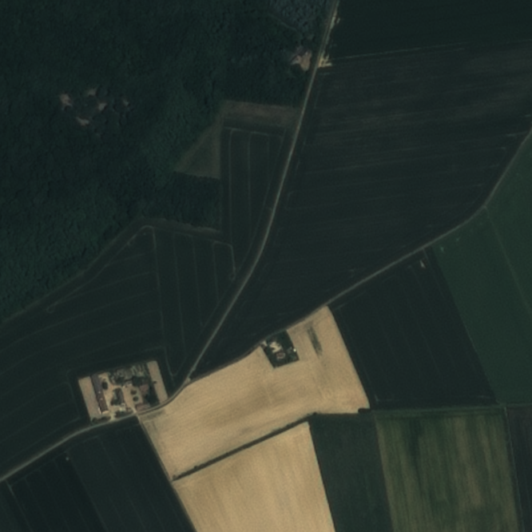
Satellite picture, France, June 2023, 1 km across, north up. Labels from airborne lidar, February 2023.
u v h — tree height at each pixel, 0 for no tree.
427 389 0
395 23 0
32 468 0
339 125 0
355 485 0
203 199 22
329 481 0
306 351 0
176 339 0
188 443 0
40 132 18
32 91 24
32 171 15
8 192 22
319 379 0
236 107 0
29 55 26
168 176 22
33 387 0
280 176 0
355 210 0
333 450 0
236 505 0
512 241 0
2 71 22
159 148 24
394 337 0
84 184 22
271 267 0
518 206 0
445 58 0
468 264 0
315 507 0
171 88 22
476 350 0
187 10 20
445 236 0
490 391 0
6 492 0
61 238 25
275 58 20
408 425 0
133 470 0
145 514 0
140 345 0
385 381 0
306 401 0
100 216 25
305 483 0
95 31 20
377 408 0
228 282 0
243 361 0
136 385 13
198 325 0
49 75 22
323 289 0
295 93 18
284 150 0
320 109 0
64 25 20
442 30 0
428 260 0
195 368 0
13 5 24
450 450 0
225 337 0
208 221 22
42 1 22
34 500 0
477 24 0
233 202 0
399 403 0
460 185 0
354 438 0
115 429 0
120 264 0
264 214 0
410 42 0
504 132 0
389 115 0
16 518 0
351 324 0
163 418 0
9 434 0
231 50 21
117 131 26
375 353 0
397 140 0
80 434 0
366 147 0
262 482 0
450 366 0
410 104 0
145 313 0
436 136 0
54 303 0
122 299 0
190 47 23
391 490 0
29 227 20
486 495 0
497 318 0
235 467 0
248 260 0
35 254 24
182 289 0
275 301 0
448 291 0
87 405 0
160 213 20
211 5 28
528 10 0
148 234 0
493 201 0
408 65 0
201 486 0
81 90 23
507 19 0
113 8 25
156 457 0
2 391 0
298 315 0
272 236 0
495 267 0
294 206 0
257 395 0
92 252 18
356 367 0
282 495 0
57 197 24
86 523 0
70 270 20
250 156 0
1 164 24
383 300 0
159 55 21
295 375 0
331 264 0
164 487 0
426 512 0
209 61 20
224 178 0
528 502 0
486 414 0
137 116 29
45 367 0
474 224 0
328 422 0
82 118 22
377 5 0
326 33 0
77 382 0
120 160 25
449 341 0
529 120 0
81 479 0
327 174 0
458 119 0
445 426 0
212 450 0
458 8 0
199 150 0
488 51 0
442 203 0
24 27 21
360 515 0
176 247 0
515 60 0
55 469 0
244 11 22
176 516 0
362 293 0
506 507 0
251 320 0
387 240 0
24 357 0
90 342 0
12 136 19
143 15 19
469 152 0
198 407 0
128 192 20
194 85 18
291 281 0
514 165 0
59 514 0
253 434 0
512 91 0
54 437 0
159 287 0
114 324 0
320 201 0
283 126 0
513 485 0
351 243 0
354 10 0
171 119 24
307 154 0
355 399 0
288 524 0
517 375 0
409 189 0
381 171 0
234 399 0
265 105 14
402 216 0
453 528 0
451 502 0
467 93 0
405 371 0
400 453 0
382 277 0
